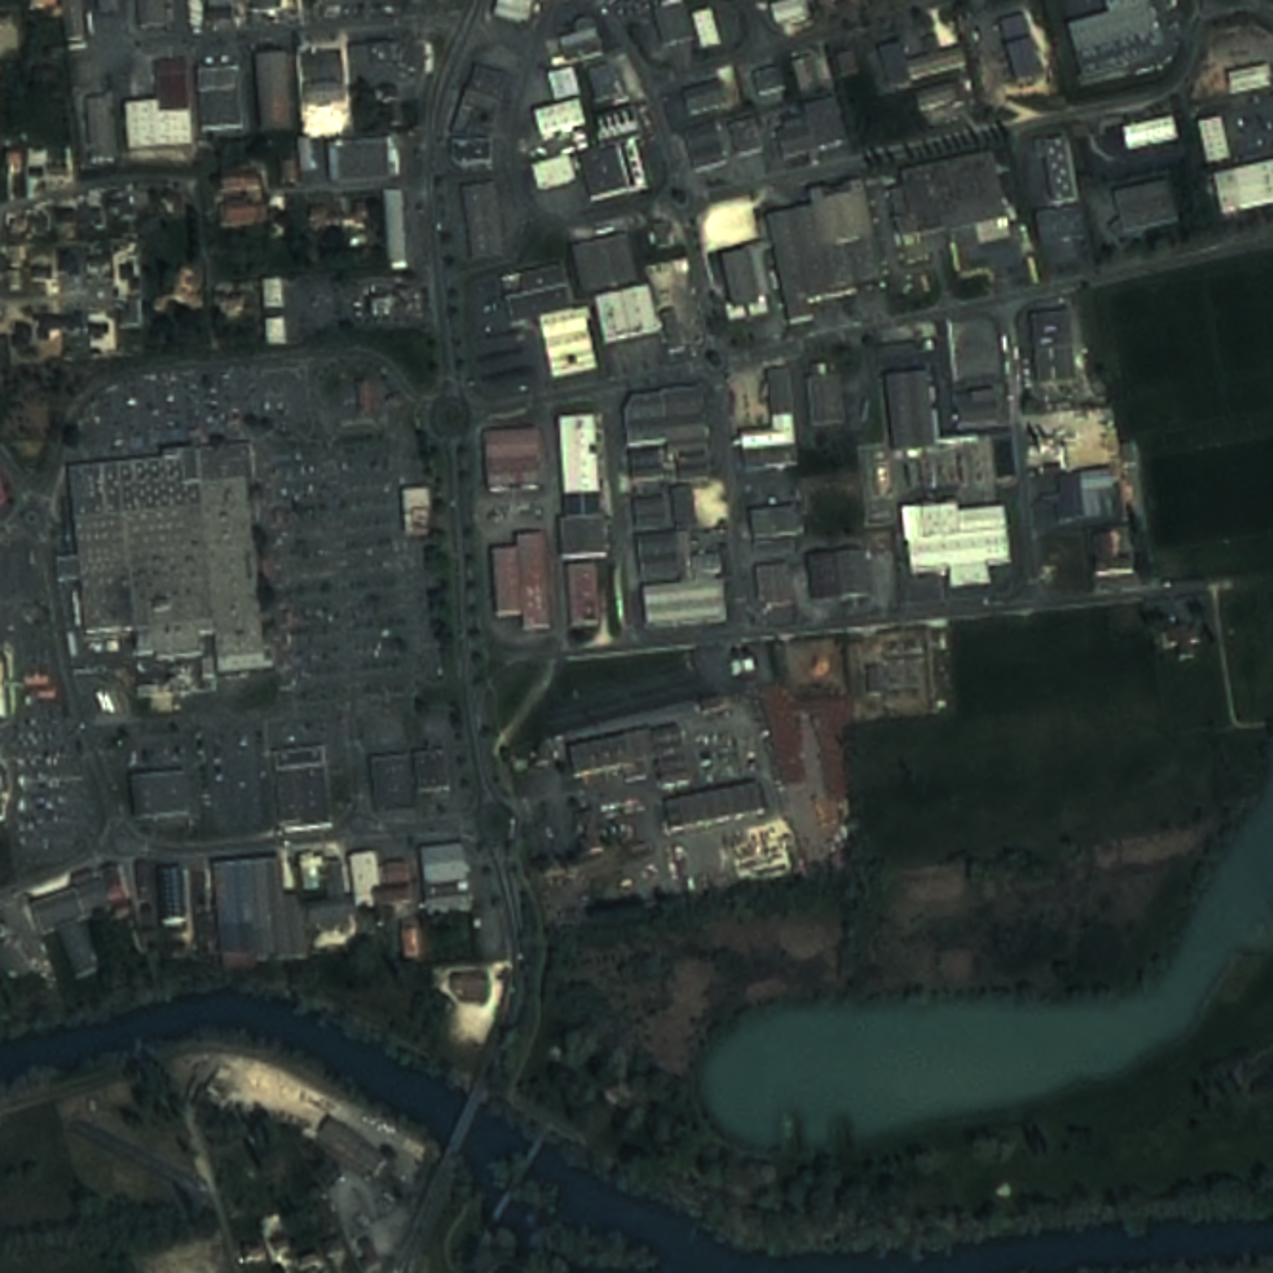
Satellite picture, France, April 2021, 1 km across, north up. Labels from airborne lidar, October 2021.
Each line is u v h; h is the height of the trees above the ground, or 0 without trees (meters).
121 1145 0
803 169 0
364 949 18
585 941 7
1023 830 0
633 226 0
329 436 0
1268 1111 0
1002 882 0
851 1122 0
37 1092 33
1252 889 0
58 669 0
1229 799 0
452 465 0
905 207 0
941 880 0
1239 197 0
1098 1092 0
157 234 9
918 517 0
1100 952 0
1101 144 0
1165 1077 0
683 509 0
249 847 0
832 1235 18
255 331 14
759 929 0
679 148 0
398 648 9
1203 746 0
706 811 0
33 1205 0
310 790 0
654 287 0
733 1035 0
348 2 0
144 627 0
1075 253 0
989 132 0
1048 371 0
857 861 18
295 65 0
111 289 0
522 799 0
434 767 0
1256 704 0
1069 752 0
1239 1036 0
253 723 0
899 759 0
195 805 0
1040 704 0
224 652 0
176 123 0
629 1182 22
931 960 0
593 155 0
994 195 0
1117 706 0
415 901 0
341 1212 0
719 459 0
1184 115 17
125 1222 18
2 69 6
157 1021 0
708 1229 13
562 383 0
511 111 0
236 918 0
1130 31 0
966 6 11
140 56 0
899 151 0
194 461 0
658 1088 18
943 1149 0
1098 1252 0
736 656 6
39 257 0
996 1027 0
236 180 0
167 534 0
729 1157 13
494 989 0
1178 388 0
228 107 0
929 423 0
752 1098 0
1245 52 0
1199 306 0
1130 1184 0
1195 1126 8
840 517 0
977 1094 0
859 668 0
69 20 0
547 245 0
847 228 0
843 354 11
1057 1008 0
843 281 0
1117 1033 0
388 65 0
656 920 10
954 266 6
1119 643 0
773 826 0
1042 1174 0
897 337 0
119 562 0
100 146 0
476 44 0
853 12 17
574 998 10
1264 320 0
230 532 0
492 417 0
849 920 11
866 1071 0
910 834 0
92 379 14
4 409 8
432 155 0
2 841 0
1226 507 0
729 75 0
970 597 0
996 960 6
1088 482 0
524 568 0
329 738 0
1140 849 0
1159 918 0
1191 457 0
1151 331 0
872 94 0
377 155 0
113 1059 19
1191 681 0
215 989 14
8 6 6
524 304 0
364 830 0
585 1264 12
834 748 0
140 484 0
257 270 7
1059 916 0
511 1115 17
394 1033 7
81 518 0
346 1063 0
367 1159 0
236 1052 22
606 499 0
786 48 0
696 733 0
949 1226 14
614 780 0
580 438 0
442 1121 0
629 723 0
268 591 11
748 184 0
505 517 0
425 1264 0
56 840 0
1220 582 0
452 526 0
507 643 0
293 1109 0
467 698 0
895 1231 16
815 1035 0
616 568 0
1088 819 0
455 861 0
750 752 0
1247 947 0
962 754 0
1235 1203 20
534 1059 0
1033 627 0
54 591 0
